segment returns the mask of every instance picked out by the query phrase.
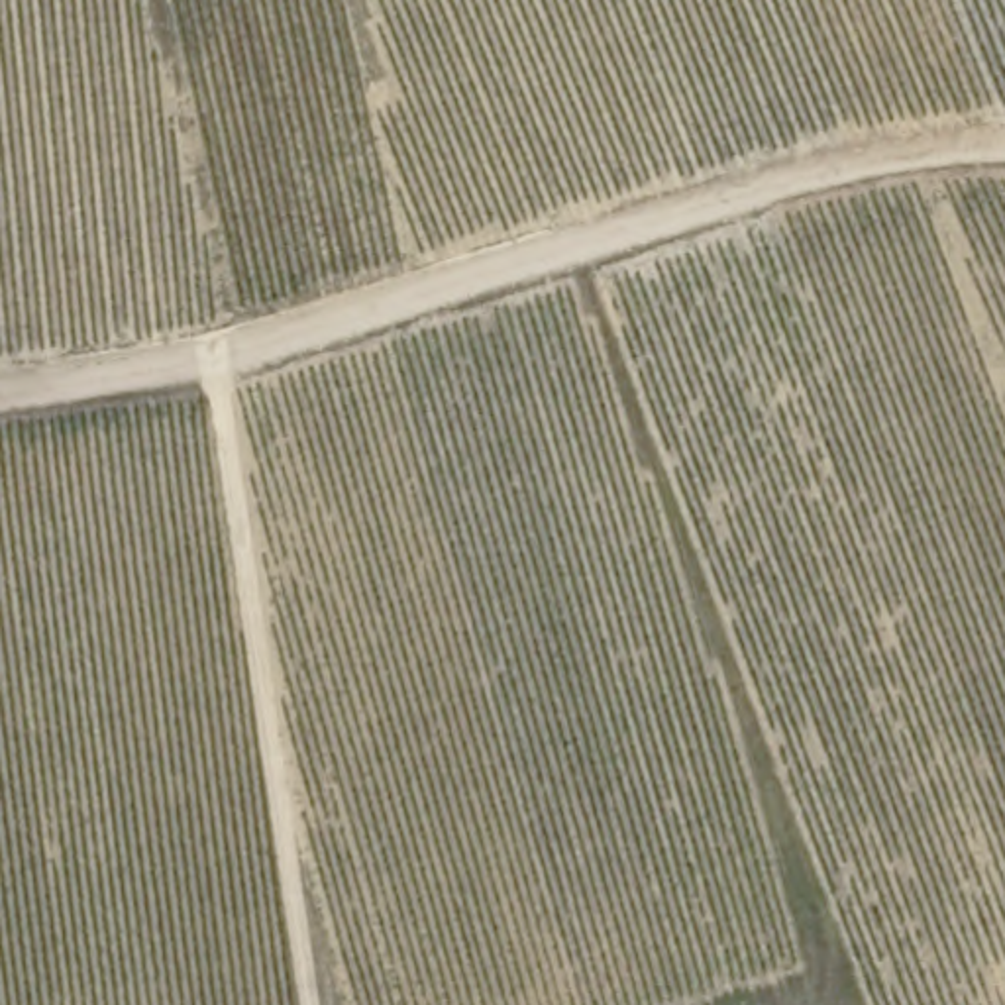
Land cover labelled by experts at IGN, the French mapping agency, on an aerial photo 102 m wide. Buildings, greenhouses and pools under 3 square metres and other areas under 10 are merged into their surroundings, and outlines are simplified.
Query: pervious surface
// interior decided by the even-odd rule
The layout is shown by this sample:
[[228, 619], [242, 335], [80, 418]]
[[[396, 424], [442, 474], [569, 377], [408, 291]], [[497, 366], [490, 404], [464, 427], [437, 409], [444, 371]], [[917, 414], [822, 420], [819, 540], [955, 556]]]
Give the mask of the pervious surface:
[[801, 133], [793, 145], [750, 149], [742, 157], [703, 165], [695, 173], [660, 173], [644, 185], [628, 185], [608, 196], [585, 196], [561, 208], [546, 208], [542, 216], [522, 220], [514, 228], [487, 224], [471, 236], [424, 251], [420, 275], [400, 271], [397, 279], [349, 287], [342, 294], [322, 294], [298, 306], [279, 306], [267, 318], [247, 318], [228, 330], [177, 326], [149, 334], [137, 349], [90, 349], [79, 357], [67, 357], [59, 345], [0, 353], [0, 412], [200, 381], [216, 436], [216, 467], [232, 546], [232, 585], [251, 663], [259, 750], [271, 797], [298, 1005], [318, 1005], [310, 923], [298, 879], [298, 864], [310, 860], [306, 832], [298, 824], [302, 781], [279, 711], [283, 675], [271, 644], [271, 601], [259, 569], [263, 538], [247, 495], [251, 448], [236, 412], [236, 373], [518, 279], [581, 267], [597, 255], [656, 236], [671, 236], [707, 220], [722, 220], [734, 212], [750, 212], [793, 192], [930, 165], [1005, 161], [1005, 102], [868, 126], [836, 122], [832, 130]]

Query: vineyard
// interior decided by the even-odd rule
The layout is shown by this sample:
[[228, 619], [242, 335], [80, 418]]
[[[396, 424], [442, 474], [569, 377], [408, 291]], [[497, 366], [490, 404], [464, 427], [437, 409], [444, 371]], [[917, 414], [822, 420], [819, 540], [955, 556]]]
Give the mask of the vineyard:
[[59, 345], [67, 357], [79, 357], [90, 349], [137, 349], [149, 334], [177, 326], [228, 330], [247, 318], [267, 318], [279, 306], [298, 306], [322, 294], [342, 294], [349, 287], [397, 279], [400, 271], [420, 275], [424, 251], [471, 236], [487, 224], [514, 228], [522, 220], [542, 216], [546, 208], [561, 208], [585, 196], [608, 196], [628, 185], [644, 185], [660, 173], [695, 173], [703, 165], [742, 157], [750, 149], [793, 145], [801, 133], [832, 130], [836, 122], [868, 126], [1005, 102], [1005, 0], [0, 0], [0, 353]]
[[259, 750], [251, 663], [232, 585], [232, 546], [216, 467], [216, 436], [200, 381], [0, 412], [0, 1005], [298, 1005], [271, 797]]
[[581, 267], [518, 279], [236, 373], [236, 412], [251, 448], [247, 495], [263, 538], [259, 569], [271, 601], [271, 644], [283, 675], [279, 711], [302, 781], [298, 824], [306, 832], [310, 860], [298, 864], [298, 879], [310, 923], [318, 1005], [711, 1005], [734, 989], [766, 989], [781, 985], [785, 978], [797, 978], [805, 970], [801, 946], [824, 926], [836, 930], [864, 1005], [1005, 1005], [1005, 161], [930, 165], [793, 192], [750, 212], [734, 212], [722, 220], [707, 220], [671, 236], [656, 236], [597, 255]]

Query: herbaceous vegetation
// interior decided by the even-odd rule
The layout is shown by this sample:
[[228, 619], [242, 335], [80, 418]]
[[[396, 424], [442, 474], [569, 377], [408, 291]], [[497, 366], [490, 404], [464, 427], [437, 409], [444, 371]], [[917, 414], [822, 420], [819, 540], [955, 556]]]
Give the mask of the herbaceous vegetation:
[[766, 989], [734, 989], [711, 1005], [864, 1005], [836, 930], [824, 926], [801, 946], [805, 970], [797, 978], [785, 978], [781, 985]]

